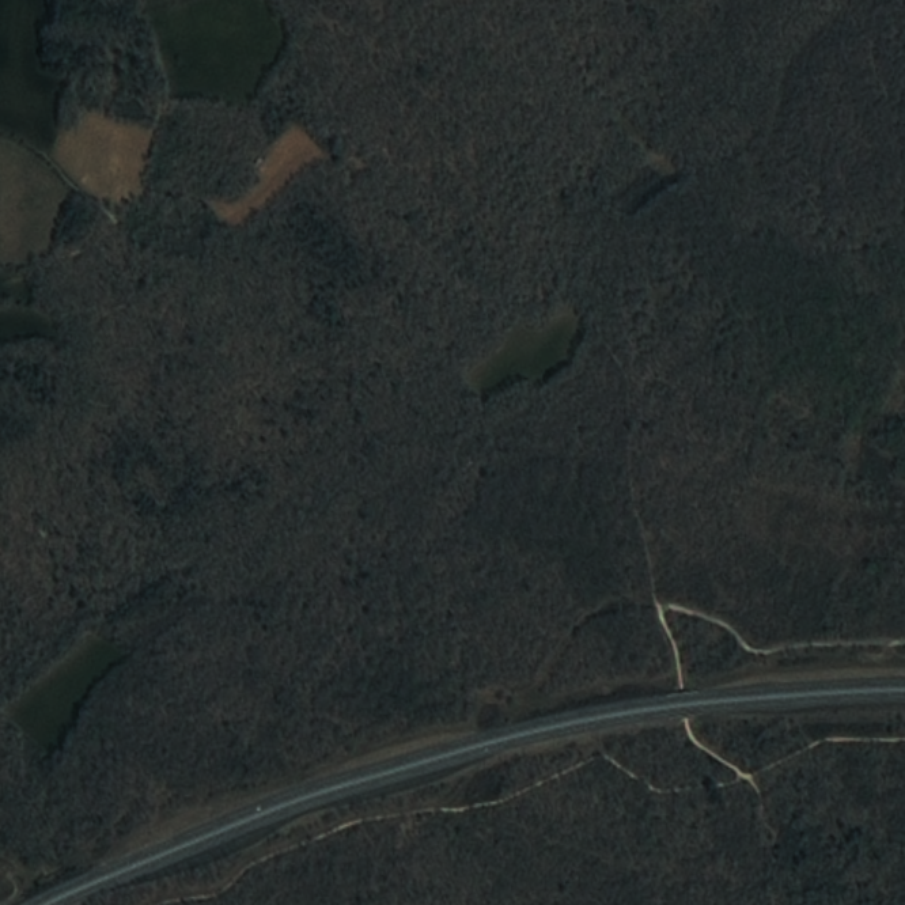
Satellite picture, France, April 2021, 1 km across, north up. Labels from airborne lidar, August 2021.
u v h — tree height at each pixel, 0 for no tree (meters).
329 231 13
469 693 12
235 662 12
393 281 10
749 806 11
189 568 17
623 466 7
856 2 7
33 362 13
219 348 12
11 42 0
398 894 17
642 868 12
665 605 0
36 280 12
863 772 9
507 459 12
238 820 0
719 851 7
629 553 10
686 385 9
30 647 10
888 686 0
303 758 9
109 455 15
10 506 13
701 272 14
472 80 11
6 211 0
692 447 9
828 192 7
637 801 10
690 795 12
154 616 14
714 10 13
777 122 9
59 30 23
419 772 0
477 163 10
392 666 11
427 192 10
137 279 12
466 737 0
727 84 25
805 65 7
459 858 12
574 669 9
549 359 0
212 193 7
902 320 12
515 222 6
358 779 0
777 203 13
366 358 10
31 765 10
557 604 11
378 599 11
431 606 11
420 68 10
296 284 16
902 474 12
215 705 13
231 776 12
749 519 0
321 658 9
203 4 0
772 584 6
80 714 15
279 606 10
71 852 9
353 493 20
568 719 0
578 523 15
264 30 0
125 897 11
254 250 15
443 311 14
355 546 12
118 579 12
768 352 12
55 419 16
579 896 7
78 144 0
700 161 18
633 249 16
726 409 11
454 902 11
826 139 6
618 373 7
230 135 8
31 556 7
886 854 7
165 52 0
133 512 10
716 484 7
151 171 9
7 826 19
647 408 10
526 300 9
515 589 12
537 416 12
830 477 16
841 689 0
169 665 9
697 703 0
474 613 11
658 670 13
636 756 10
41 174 0
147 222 9
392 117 10
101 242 15
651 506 8
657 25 13
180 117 7
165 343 17
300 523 23
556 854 6
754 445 10
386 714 10
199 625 9
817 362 19
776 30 21
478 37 13
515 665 9
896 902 8
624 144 18
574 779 14
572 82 13
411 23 9
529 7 11
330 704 8
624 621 12
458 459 11
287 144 0
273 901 9
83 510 12
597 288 16
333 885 13
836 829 6
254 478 12
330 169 10
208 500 14
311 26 11
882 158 7
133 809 10
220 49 0
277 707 11
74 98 16
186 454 12
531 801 11
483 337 17
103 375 12
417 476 13
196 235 7
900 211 7
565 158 10
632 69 11
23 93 0
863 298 15
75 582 11
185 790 7
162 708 14
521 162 7
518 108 11
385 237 9
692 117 22
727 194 13
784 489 11
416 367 13
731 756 14
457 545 10
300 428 10
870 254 13
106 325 12
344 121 11
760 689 0
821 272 14
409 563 11
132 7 18
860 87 7
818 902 14
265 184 0
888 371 14
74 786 13
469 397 16
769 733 9
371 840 9
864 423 10
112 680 12
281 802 0
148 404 12
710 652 10
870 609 6
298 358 12
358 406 11
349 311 10
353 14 8
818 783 13
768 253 16
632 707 0
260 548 20
